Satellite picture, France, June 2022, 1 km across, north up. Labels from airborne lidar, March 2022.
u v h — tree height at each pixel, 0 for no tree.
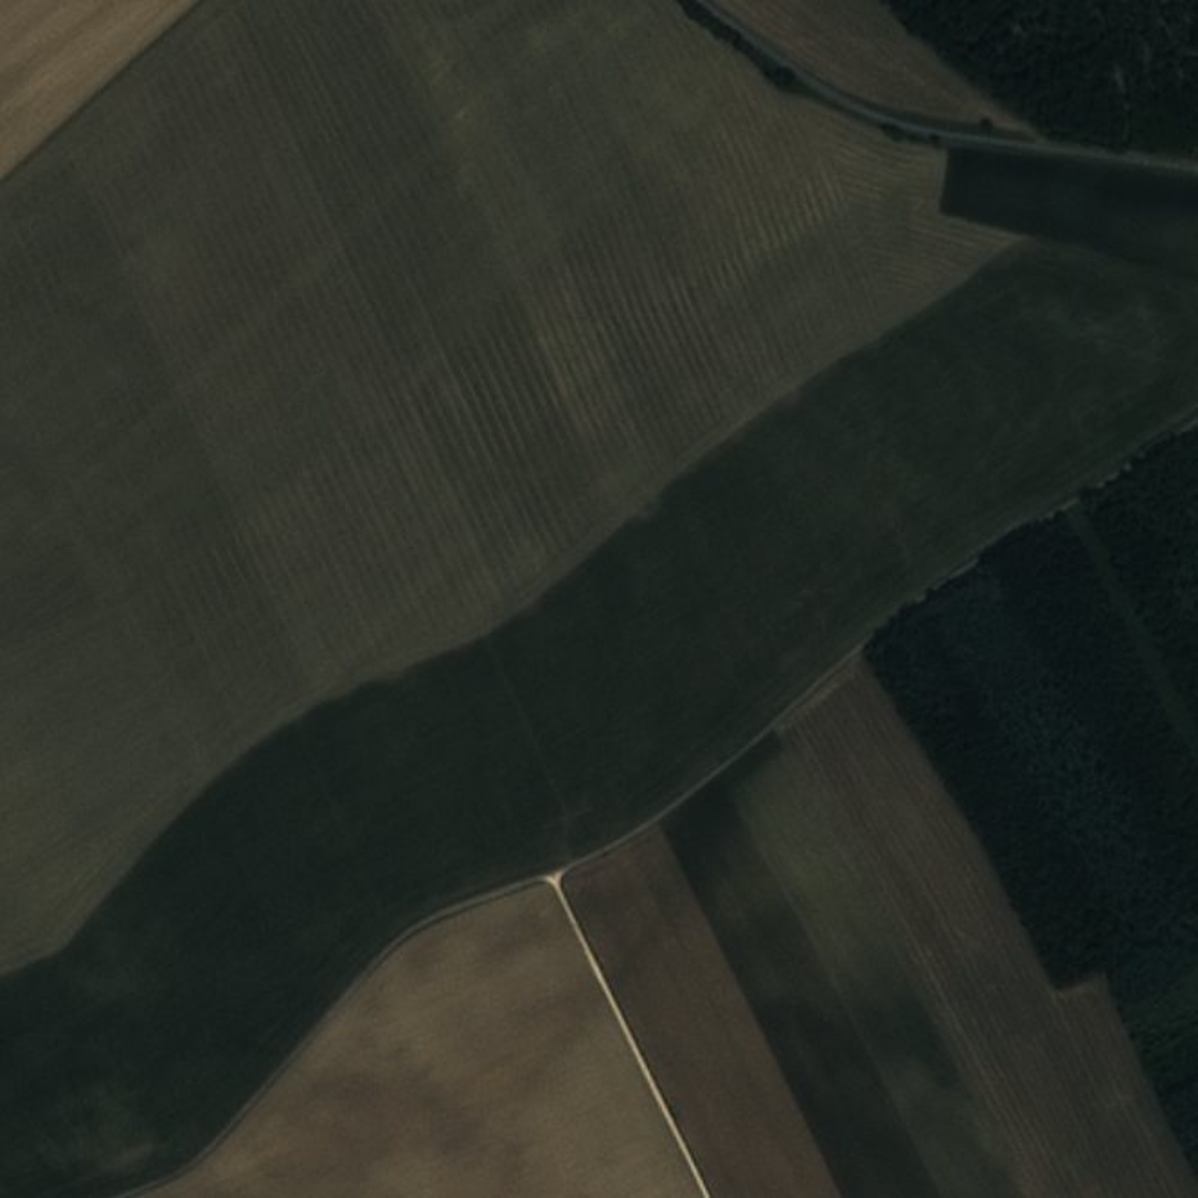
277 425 0
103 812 0
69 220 0
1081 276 0
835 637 0
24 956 0
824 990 0
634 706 0
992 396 0
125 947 0
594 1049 0
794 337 0
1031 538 16
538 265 0
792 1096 0
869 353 0
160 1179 0
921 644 11
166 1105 0
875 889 0
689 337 0
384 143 0
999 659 8
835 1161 0
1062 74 19
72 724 0
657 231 0
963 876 0
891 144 0
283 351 0
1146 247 0
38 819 0
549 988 0
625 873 0
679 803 0
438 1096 0
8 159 0
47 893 0
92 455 0
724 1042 0
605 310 0
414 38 0
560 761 0
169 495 0
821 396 0
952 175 0
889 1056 0
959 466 0
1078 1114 0
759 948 0
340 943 0
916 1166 0
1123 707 11
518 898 0
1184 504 7
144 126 0
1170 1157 0
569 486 0
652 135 0
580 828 0
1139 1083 0
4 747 0
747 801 0
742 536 0
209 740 0
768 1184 0
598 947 0
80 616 0
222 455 0
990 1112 0
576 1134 0
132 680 0
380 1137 0
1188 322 0
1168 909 16
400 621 0
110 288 0
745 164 0
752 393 0
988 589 13
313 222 0
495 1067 0
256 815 0
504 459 0
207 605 0
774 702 0
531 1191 0
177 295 0
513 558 0
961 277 0
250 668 0
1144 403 0
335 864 0
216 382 0
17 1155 0
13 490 0
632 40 0
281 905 0
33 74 0
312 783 0
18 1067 0
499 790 0
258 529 0
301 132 0
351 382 0
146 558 0
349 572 0
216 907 0
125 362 0
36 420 0
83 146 0
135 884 0
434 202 0
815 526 0
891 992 0
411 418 0
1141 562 12
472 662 0
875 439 0
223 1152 0
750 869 0
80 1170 0
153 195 0
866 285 0
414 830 0
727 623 0
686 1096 0
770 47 0
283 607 0
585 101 0
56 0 0
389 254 0
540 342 0
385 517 0
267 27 0
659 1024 0
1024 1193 0
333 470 0
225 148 0
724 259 0
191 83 0
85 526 0
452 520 0
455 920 0
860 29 0
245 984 0
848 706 0
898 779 0
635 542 0
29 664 0
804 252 0
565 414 0
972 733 12
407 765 0
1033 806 8
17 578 0
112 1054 0
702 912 0
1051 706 18
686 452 0
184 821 0
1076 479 0
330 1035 0
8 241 0
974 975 0
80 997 0
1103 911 11
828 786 0
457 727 0
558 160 0
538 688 0
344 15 0
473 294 0
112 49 0
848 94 0
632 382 0
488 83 0
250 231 0
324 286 0
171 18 0
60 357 0
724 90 0
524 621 0
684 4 9
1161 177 0
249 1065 0
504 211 0
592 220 0
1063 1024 0
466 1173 0
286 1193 0
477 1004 0
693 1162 0
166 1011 0
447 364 0
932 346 0
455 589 0
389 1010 0
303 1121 0
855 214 0
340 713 0
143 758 0
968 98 0
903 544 0
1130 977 14
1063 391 0
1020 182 0
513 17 0
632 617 0
